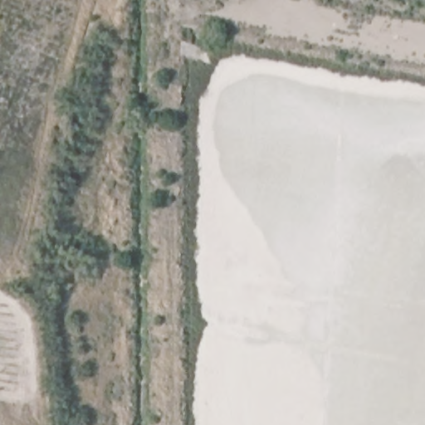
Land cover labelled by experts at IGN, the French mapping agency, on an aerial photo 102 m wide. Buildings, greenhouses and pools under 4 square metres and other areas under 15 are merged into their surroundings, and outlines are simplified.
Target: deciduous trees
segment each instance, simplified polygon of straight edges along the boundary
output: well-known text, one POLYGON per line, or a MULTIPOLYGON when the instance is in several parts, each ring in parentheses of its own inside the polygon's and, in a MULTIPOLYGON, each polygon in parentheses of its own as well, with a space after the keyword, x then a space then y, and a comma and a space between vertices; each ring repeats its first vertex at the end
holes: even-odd
POLYGON ((73 418, 68 417, 66 413, 58 413, 60 408, 66 407, 66 402, 65 398, 58 397, 58 390, 55 390, 48 395, 50 425, 70 425, 73 418))

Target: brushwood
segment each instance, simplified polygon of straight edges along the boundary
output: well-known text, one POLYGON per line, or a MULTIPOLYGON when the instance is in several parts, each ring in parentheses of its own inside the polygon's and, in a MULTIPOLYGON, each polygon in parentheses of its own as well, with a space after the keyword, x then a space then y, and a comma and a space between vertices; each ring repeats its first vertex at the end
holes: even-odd
POLYGON ((410 7, 405 12, 393 10, 395 18, 425 23, 425 0, 403 0, 410 7))

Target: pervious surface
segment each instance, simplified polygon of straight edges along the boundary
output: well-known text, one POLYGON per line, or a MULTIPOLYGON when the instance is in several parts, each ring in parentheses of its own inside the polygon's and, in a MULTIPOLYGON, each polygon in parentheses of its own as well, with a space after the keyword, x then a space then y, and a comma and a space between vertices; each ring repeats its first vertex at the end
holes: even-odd
POLYGON ((374 17, 370 23, 364 22, 360 30, 352 30, 340 13, 330 8, 334 0, 227 0, 226 5, 221 10, 216 10, 214 15, 236 23, 237 35, 232 38, 227 48, 227 53, 231 56, 217 63, 208 90, 199 100, 196 286, 206 327, 203 339, 199 342, 194 374, 194 425, 425 425, 425 23, 395 18, 374 17))

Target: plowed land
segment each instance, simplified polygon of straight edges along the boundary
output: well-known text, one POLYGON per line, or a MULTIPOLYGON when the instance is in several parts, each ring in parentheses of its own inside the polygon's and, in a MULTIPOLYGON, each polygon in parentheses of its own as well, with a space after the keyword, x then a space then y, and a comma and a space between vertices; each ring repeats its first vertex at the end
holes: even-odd
POLYGON ((40 395, 40 367, 32 315, 23 309, 20 300, 0 291, 0 335, 8 337, 8 342, 5 342, 8 347, 22 347, 18 352, 17 367, 10 367, 12 372, 17 372, 18 377, 0 374, 0 400, 28 403, 37 398, 40 395))

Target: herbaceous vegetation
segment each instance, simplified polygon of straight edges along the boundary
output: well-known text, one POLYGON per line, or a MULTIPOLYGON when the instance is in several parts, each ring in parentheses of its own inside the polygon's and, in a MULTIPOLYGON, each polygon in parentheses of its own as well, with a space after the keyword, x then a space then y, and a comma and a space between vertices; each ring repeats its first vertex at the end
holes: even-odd
POLYGON ((0 400, 0 425, 50 425, 48 395, 55 390, 58 390, 58 397, 65 398, 66 402, 66 407, 60 408, 58 413, 66 413, 68 417, 73 418, 70 425, 194 425, 194 374, 199 342, 203 339, 206 327, 196 286, 199 100, 208 90, 217 63, 231 56, 227 53, 227 48, 232 38, 237 35, 236 23, 214 15, 216 10, 221 10, 226 5, 227 0, 0 0, 0 291, 20 300, 23 309, 32 315, 40 367, 40 395, 37 398, 28 403, 0 400))
POLYGON ((374 17, 395 18, 393 10, 405 12, 410 7, 403 0, 334 0, 330 8, 340 13, 352 30, 360 30, 364 22, 370 23, 374 17))

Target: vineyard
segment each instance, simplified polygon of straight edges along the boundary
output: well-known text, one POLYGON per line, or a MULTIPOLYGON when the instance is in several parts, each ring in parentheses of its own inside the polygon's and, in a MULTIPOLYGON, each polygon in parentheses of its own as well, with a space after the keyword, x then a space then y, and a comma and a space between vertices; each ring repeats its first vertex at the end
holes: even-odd
POLYGON ((0 335, 0 374, 18 377, 17 372, 12 372, 10 367, 17 367, 18 352, 22 347, 8 347, 5 342, 8 342, 8 337, 0 335))

